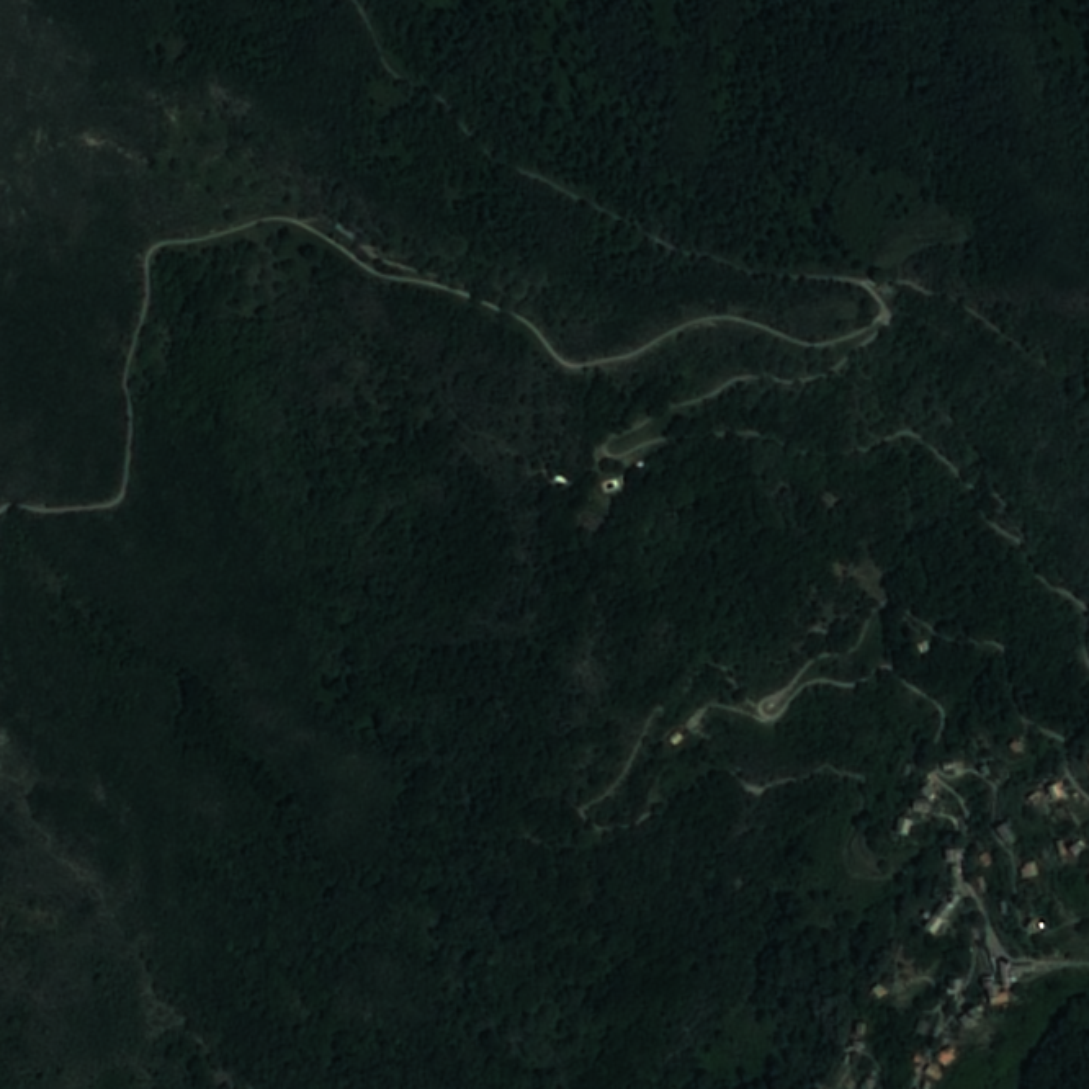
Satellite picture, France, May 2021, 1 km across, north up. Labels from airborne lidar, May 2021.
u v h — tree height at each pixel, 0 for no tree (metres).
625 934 13
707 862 15
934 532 20
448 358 11
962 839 15
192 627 6
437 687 9
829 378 8
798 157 12
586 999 11
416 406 11
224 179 0
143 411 7
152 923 8
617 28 11
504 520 12
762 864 9
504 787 17
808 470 17
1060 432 8
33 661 6
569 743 11
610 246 14
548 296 9
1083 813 0
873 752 9
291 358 7
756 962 16
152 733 6
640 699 8
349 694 21
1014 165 5
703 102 13
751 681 11
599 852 13
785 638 8
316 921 9
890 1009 9
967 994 8
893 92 12
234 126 7
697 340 6
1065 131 9
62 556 6
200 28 13
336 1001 10
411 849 27
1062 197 9
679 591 21
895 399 9
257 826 6
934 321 9
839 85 12
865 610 14
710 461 15
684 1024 7
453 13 17
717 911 12
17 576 7
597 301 9
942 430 8
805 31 12
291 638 9
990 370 8
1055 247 8
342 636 25
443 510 7
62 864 0
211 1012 17
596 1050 10
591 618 7
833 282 8
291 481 14
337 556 13
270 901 15
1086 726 18
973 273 11
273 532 10
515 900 17
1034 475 11
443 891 22
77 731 6
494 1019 22
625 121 20
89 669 14
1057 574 10
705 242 14
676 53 13
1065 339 6
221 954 7
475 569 14
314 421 9
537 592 15
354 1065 19
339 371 8
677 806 15
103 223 6
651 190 14
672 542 18
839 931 10
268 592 13
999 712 7
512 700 8
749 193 14
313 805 6
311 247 16
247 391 12
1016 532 13
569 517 17
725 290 8
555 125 20
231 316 8
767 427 12
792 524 16
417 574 9
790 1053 21
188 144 10
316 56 10
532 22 21
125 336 10
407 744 23
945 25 14
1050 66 15
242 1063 17
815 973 17
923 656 9
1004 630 12
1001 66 9
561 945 7
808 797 12
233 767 18
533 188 10
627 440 0
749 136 16
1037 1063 18
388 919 19
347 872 22
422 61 16
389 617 12
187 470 7
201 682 21
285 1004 12
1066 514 8
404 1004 6
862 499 9
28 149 0
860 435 9
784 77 9
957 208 11
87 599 8
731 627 15
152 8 8
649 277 13
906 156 12
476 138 13
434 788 19
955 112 15
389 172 14
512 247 11
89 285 6
